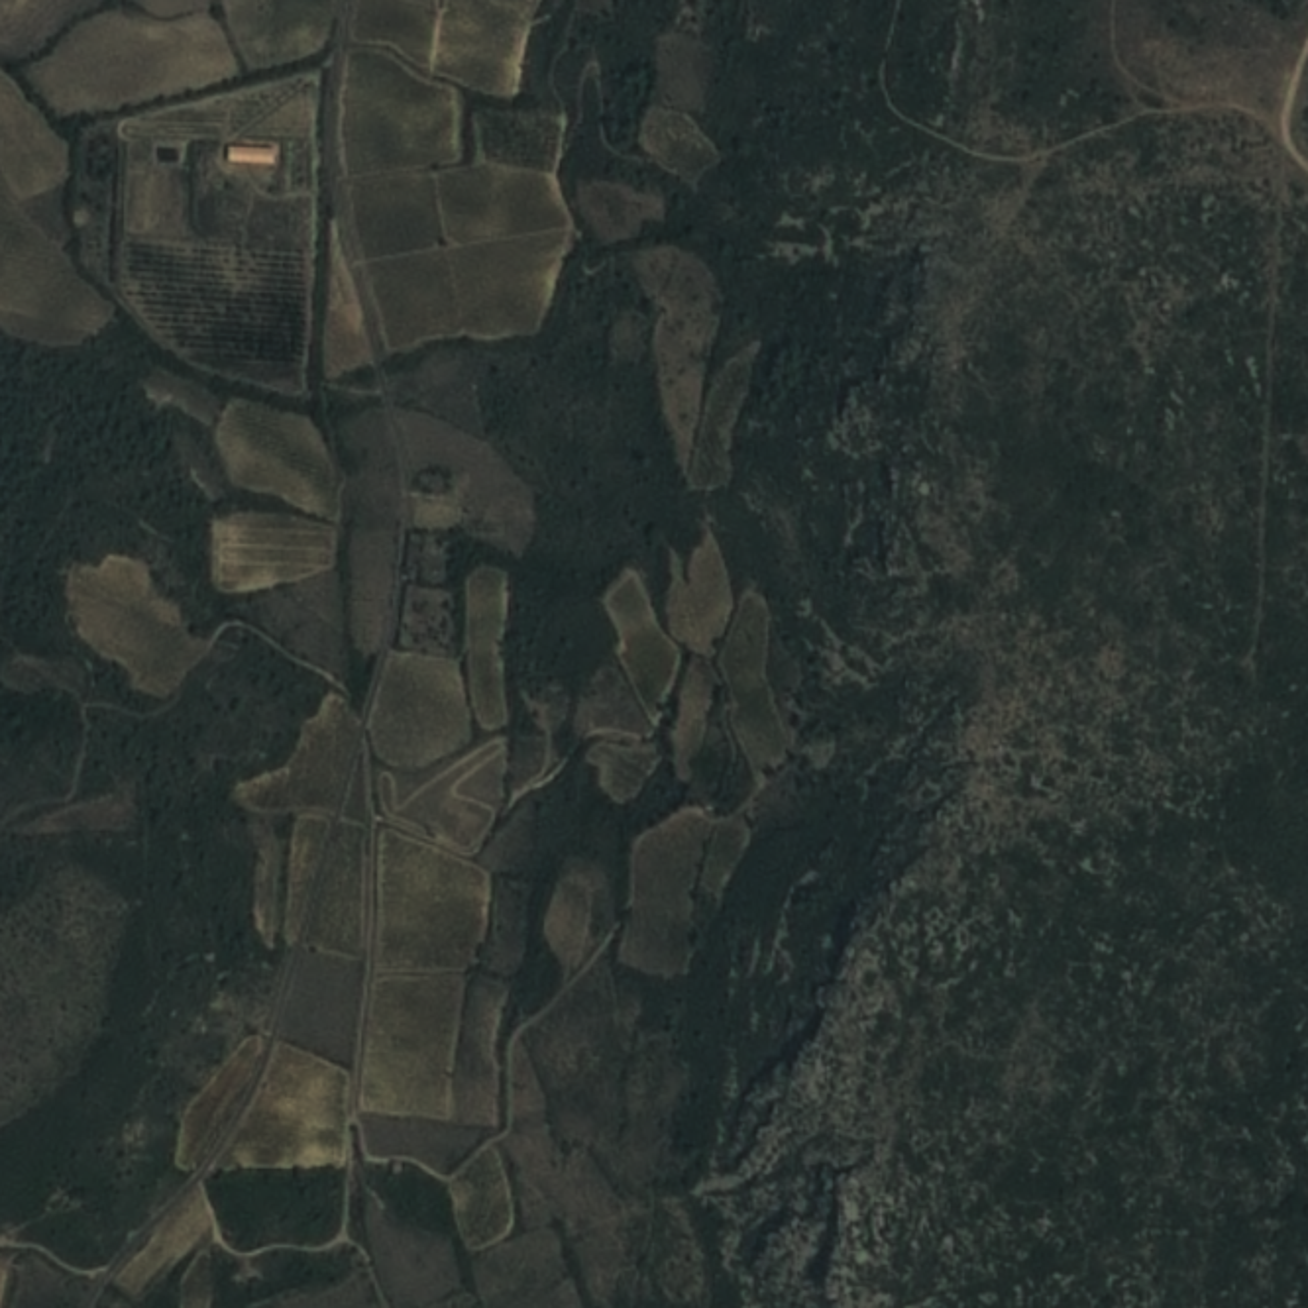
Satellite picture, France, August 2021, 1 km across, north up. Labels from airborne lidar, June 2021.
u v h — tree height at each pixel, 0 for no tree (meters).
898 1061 0
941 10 0
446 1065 0
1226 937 0
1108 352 0
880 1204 0
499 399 7
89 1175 0
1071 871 0
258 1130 0
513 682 9
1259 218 0
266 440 0
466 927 0
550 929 0
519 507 0
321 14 0
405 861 0
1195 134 0
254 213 0
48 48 5
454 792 0
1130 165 0
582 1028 0
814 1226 0
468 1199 0
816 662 10
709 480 0
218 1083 0
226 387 9
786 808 0
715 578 0
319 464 0
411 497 0
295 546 0
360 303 0
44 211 0
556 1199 0
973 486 0
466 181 0
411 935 0
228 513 9
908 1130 0
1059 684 0
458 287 0
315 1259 0
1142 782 0
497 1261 0
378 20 0
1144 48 0
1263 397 0
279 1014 0
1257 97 0
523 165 0
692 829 0
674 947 0
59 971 0
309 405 7
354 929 0
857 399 0
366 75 0
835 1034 0
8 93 0
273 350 6
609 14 10
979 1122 0
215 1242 0
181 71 0
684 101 0
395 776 0
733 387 0
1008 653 0
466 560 7
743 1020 0
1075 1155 0
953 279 0
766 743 0
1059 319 0
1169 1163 0
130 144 0
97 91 0
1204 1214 0
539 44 0
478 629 0
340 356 0
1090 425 0
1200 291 0
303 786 0
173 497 10
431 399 0
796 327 7
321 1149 0
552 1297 0
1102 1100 0
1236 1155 0
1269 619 0
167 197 0
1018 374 0
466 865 0
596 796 0
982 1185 0
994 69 0
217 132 0
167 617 0
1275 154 0
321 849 0
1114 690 0
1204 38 0
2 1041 0
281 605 0
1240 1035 0
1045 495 0
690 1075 0
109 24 0
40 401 12
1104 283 0
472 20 0
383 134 0
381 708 0
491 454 0
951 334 0
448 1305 0
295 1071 0
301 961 0
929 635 0
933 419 0
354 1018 0
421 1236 0
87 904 0
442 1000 0
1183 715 0
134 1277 0
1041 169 0
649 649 0
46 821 0
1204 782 0
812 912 9
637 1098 0
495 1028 0
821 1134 0
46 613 5
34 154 0
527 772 0
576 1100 0
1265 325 0
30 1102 0
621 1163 0
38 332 0
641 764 0
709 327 0
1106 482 0
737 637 0
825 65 0
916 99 0
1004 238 0
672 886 0
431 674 0
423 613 10
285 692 8
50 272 0
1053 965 0
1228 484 0
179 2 0
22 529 9
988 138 0
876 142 0
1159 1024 0
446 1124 0
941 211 0
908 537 0
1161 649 0
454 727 0
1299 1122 0
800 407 9
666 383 0
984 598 0
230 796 5
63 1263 0
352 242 0
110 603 0
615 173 10
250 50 0
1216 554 0
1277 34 0
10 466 11
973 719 0
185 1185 0
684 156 0
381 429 0
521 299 0
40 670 0
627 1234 0
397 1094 0
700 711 0
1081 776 0
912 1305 0
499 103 0
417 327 0
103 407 6
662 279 0
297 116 0
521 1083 0
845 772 7
